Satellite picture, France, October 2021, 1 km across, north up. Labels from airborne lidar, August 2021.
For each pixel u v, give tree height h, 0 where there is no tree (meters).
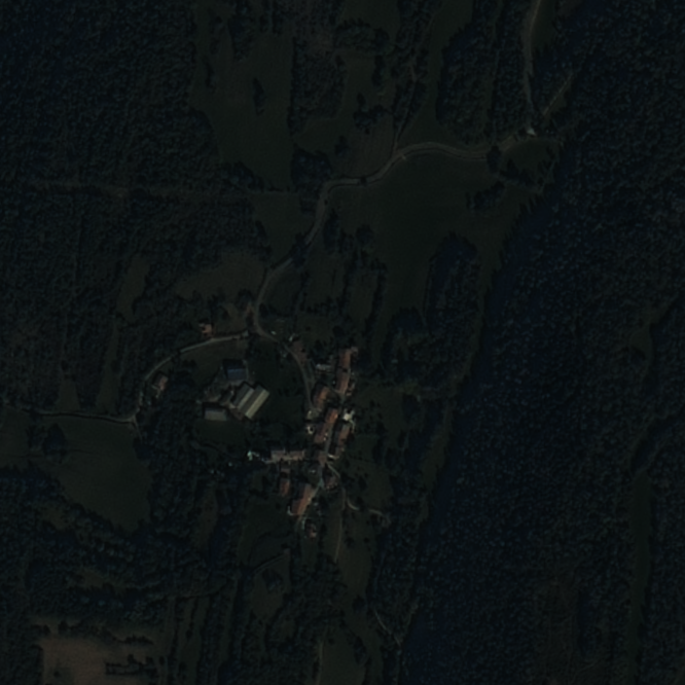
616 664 14
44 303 11
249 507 18
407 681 11
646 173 20
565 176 11
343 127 0
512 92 21
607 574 19
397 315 0
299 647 9
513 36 19
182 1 12
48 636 12
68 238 9
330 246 16
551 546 14
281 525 0
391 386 7
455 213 0
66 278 8
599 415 7
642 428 15
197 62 12
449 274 17
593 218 19
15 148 9
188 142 9
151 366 12
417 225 0
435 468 0
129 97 12
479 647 21
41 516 11
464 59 17
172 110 14
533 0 8
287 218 0
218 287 0
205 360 0
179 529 20
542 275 18
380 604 15
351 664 0
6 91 16
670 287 10
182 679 7
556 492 21
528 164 0
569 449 19
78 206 10
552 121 0
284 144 0
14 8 19
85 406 14
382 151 0
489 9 16
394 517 11
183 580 17
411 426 17
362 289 0
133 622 12
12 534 11
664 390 16
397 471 19
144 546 16
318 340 0
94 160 12
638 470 12
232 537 13
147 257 11
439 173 0
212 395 0
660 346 20
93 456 0
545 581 22
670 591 17
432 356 22
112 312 8
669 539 13
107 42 15
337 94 9
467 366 17
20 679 11
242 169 0
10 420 0
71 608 13
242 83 0
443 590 19
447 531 26
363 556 0
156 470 12
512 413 6
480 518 20
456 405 11
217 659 9
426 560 24
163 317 8
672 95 16
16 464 0
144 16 15
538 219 0
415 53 11
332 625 19
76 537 0
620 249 17
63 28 18
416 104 12
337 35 9
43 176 8
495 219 0
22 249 8
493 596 21
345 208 0
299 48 11
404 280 0
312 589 9
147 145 13
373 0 0
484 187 0
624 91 13
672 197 17
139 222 15
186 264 12
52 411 11
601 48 23
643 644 13
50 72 9
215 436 0
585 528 21
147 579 10
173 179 9
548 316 15
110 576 11
